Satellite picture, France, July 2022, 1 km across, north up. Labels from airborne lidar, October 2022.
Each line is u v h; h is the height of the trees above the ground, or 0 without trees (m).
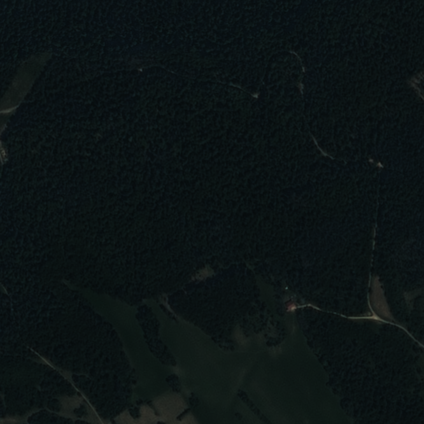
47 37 33
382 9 19
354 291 9
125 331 0
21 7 28
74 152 8
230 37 22
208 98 23
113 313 0
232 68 22
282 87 20
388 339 6
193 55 20
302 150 27
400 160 23
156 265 26
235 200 23
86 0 33
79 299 16
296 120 19
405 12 21
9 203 30
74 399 0
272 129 8
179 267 26
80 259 29
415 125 24
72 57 9
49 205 22
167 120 25
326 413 0
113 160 26
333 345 11
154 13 18
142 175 20
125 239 19
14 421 0
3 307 16
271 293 0
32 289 16
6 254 23
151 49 12
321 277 7
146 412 0
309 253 25
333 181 27
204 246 25
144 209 23
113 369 10
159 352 22
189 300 21
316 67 28
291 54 10
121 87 19
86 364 10
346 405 19
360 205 15
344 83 22
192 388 0
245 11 29
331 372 8
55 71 13
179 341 0
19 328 12
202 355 0
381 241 23
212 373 0
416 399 9
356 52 24
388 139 23
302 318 23
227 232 28
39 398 7
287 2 29
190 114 21
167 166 12
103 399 6
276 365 0
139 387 0
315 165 24
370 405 10
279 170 24
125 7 19
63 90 7
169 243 13
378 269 7
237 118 18
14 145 11
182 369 0
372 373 7
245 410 0
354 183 26
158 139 28
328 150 27
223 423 0
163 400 0
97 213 20
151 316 21
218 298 27
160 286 25
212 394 0
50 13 35
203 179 23
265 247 12
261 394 0
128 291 25
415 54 15
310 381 0
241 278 24
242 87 13
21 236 26
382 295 0
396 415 24
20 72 0
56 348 16
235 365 0
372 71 24
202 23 34
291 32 34
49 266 29
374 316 0
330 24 19
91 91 13
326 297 11
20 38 8
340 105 21
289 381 0
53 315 19
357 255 11
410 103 18
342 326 7
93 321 35
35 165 10
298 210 23
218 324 24
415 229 19
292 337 0
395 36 23
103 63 20
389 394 16
